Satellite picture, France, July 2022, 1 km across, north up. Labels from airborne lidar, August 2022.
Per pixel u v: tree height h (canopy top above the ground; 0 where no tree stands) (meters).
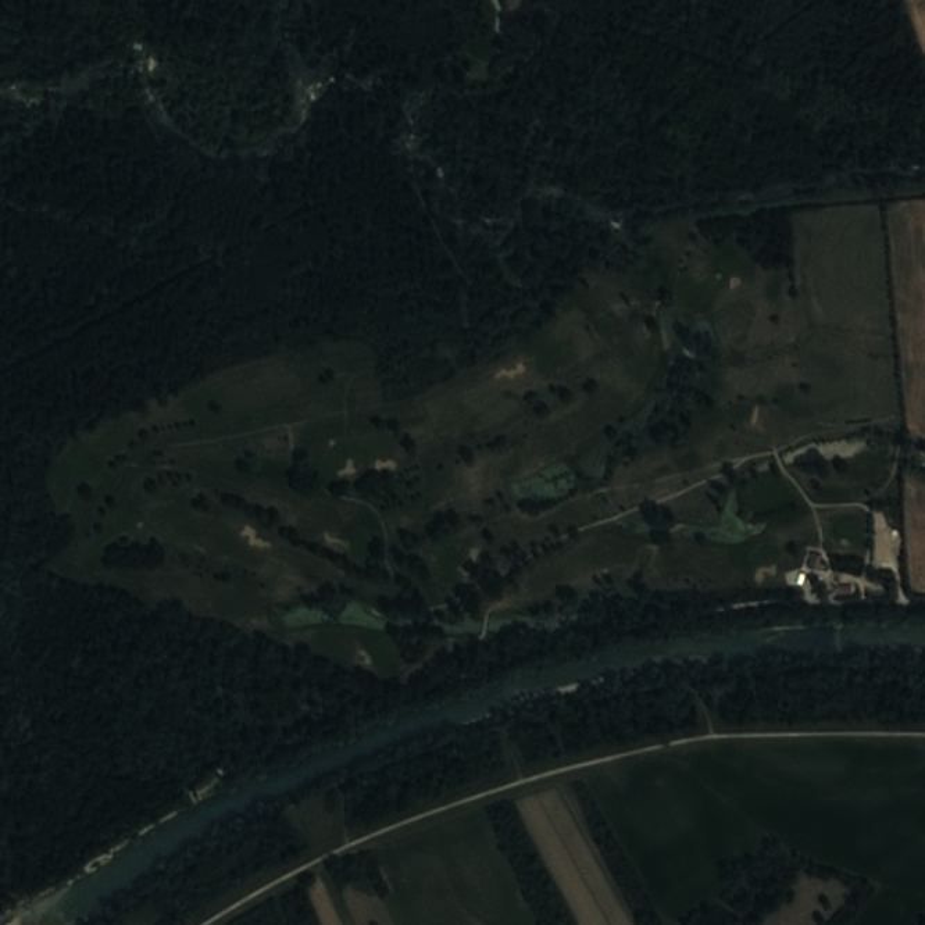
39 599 8
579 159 15
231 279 20
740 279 0
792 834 0
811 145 7
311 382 0
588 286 18
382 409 0
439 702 11
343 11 7
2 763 13
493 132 33
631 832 0
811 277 0
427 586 0
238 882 6
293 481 17
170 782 14
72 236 16
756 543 0
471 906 0
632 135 22
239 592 0
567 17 37
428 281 20
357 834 0
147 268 22
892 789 0
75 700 15
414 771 13
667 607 14
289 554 0
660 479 0
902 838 0
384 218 24
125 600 19
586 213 13
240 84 7
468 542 0
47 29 15
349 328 7
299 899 13
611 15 12
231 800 0
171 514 0
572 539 10
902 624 9
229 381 0
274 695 13
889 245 8
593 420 0
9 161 14
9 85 13
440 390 0
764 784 0
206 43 12
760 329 0
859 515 0
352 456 0
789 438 0
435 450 0
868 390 0
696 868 0
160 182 28
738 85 6
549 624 0
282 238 6
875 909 0
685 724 16
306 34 9
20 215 25
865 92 16
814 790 0
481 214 10
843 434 0
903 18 8
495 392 0
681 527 0
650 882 0
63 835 11
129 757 16
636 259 13
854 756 0
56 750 12
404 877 0
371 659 0
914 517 0
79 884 0
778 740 0
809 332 0
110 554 12
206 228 25
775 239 14
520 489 0
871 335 0
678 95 17
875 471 0
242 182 27
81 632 11
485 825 0
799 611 22
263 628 0
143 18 14
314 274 20
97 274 26
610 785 0
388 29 6
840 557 11
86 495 17
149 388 5
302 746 14
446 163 16
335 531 0
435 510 0
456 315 7
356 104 24
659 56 17
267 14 20
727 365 0
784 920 0
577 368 0
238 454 0
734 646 0
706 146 10
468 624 0
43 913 0
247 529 0
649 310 0
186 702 6
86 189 24
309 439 0
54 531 7
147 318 18
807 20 8
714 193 16
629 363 0
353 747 0
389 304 7
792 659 14
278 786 0
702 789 0
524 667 15
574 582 0
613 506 0
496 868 0
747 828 0
